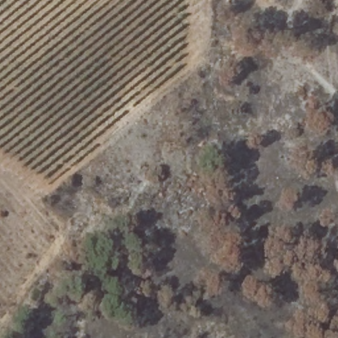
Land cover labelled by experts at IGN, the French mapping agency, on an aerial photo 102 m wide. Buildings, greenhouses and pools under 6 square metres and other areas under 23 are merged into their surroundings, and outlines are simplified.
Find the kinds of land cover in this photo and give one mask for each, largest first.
<instances>
[{"label":"bare soil","instance_id":"1","mask_svg":"<svg viewBox=\"0 0 338 338\"><path fill-rule=\"evenodd\" d=\"M235 5L230 8L238 16V21L247 18L253 21L247 29L248 33H265L267 30L279 33L287 29L288 21L293 25V36L296 41H304L310 51L317 49L322 53L314 58L312 63L302 61L298 57L281 59L279 55L272 62L261 54L260 49L251 51L240 45L238 28L231 30V41L219 37V41L211 42L210 49L203 51L207 59L201 70H194L180 86L162 96L161 100L153 104L151 110L141 114L137 124L128 128L114 145L104 149L82 168L73 174L69 181L57 187L53 194L42 198L45 203L42 213L49 215L54 211L59 218L69 219L71 226L78 227V230L67 238L71 242H86L88 232L110 230L118 215L137 214L139 211L154 209L162 214V219L156 222L157 228H169L176 234V240L172 244V247L176 248V253L173 260L169 261L166 273L169 277L176 276L178 283L185 287L186 284L197 283L202 263L205 261V248L197 238L198 226L202 222L206 205L201 186L198 184L199 160L214 158L223 165L227 189L234 191L236 207L240 211L238 234L242 236L239 240L242 252H239L238 260L243 263V267L238 273H219L218 285L224 292L222 298L211 305L213 308H222V316L211 317L201 314L195 308L199 292L194 290L191 296L185 297L182 304H177L172 298L164 305L158 304L162 317L157 325L139 327L135 323L132 333L124 335L84 323V335L88 334L90 338H287L285 326L292 317L293 302H287L283 308H277L271 302V309L268 312L255 313L240 301L242 283L252 271L264 267V244L269 231L289 234L290 231H294L297 223H314L317 220L321 226H338V0H234ZM235 59L240 61V73L232 78L230 88L223 87L219 79L224 73L234 75L230 61ZM309 110L322 112L323 119L331 125L330 131L326 132V139L322 140L304 131L302 121ZM302 152H306L308 160L316 162V170L310 174L309 180L298 177L297 174L292 176L289 172L290 161Z\"/></svg>","mask_w":338,"mask_h":338},{"label":"coniferous trees","instance_id":"2","mask_svg":"<svg viewBox=\"0 0 338 338\"><path fill-rule=\"evenodd\" d=\"M213 9L211 42L219 41V37L231 41V30L238 28L240 45L251 51L260 49L261 54L272 62L279 55L281 59L298 57L302 61L312 63L314 58L322 53L317 49L310 51L304 41H296L293 36V25L288 21L287 29L279 33L267 30L265 33H248L247 29L253 21L247 18L238 21V16L230 8L235 5L234 0H210ZM234 75L224 73L219 79L223 87L230 88L232 78L240 73V61L235 59L230 61ZM304 131L322 140L326 139V132L330 131L331 125L323 119L322 112L309 110L302 121ZM306 152H302L290 161L289 172L292 176L297 174L298 177L309 180L310 174L316 170V162L308 160ZM198 184L201 186L206 205L202 222L198 226L197 238L205 248V261L202 263L197 283L186 284L185 287L178 283L176 276L169 277L166 273L169 261L173 260L176 253V248L172 247V244L176 240V234L169 228H157L156 222L162 219V214L154 209L139 211L137 214L118 215L110 230L88 232L86 242H71L67 260L62 261V275L54 277L51 284L45 283L42 290H33L32 298L37 302V308L29 313L22 325L13 323L12 330L7 331L4 338H90L88 334L84 335V323L124 335L132 333L135 323L139 327L157 325L162 317L158 304L164 305L172 298L177 304H182L185 297L191 296L194 290L199 292L195 308L201 314L211 317L222 316V308H213L211 305L222 298L224 292L218 285L219 273H238L243 267V263L238 260L239 252H242L239 240L242 236L238 234L240 211L236 207L234 191L227 189L223 165L214 158L199 160ZM264 267L252 271L242 283L240 301L255 313L268 312L271 309V302L277 308H283L287 302H293L292 317L285 326L287 338H338V226H321L317 220L314 223H297L294 231H290L289 234L269 231L264 244Z\"/></svg>","mask_w":338,"mask_h":338},{"label":"vineyard","instance_id":"3","mask_svg":"<svg viewBox=\"0 0 338 338\"><path fill-rule=\"evenodd\" d=\"M213 9L210 0H0V149L9 157H16L24 166L34 170V173L42 174L49 185L73 169V166L81 164L82 168L104 149L114 145L128 128L137 124L141 114L151 110L153 104L161 100L162 96L180 86L194 70H201L207 59L203 51L210 49L211 42Z\"/></svg>","mask_w":338,"mask_h":338},{"label":"agricultural land","instance_id":"4","mask_svg":"<svg viewBox=\"0 0 338 338\"><path fill-rule=\"evenodd\" d=\"M82 168L81 164L73 166V169L49 185L42 174L34 173V170L24 166L16 157H9L0 149V338H4L7 331L12 330L13 323L22 325L29 313L37 308V302L32 298L33 290H42L45 283L51 284L54 277L62 275V261L67 260L71 242L67 238L78 230V227L71 226L69 219L59 218L54 211L49 215L42 213L45 203L42 198L53 194L57 187L69 181L73 174Z\"/></svg>","mask_w":338,"mask_h":338}]
</instances>
